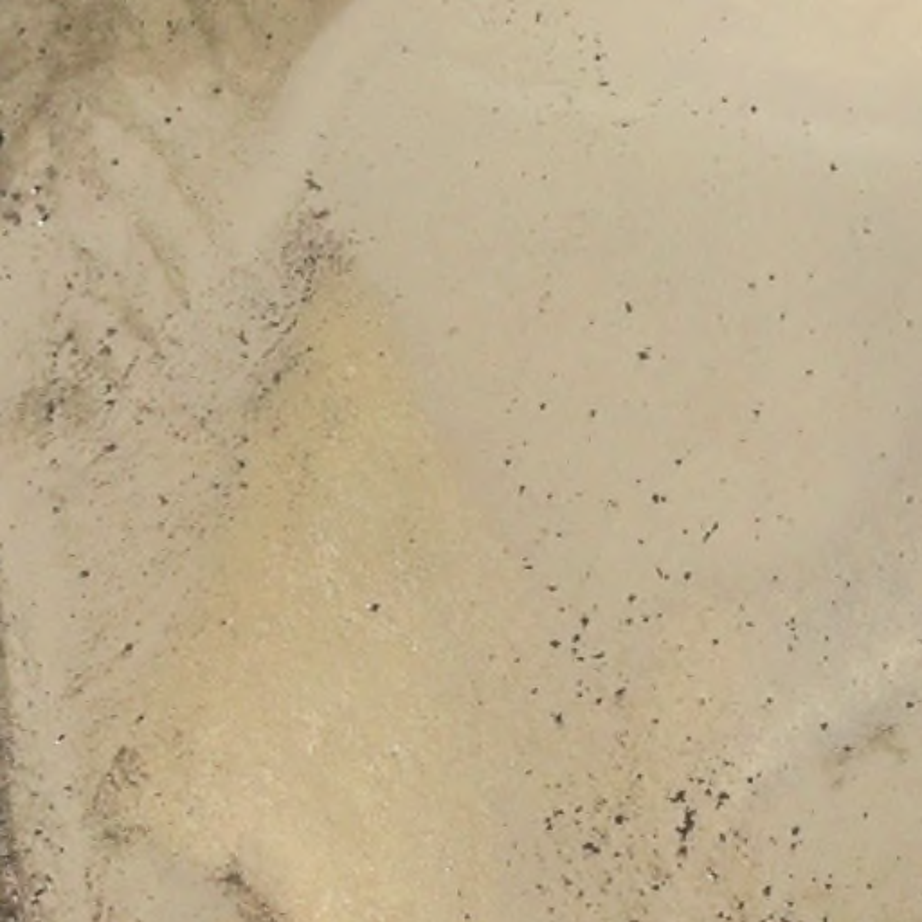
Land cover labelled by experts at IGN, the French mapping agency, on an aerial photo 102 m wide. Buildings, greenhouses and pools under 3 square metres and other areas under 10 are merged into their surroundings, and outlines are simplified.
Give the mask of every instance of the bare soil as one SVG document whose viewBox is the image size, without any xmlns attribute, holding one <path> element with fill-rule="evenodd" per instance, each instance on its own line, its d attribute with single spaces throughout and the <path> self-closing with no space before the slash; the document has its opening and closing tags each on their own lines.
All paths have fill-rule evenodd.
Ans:
<svg viewBox="0 0 922 922">
<path fill-rule="evenodd" d="M 0 0 L 0 922 L 922 922 L 922 0 Z"/>
</svg>

